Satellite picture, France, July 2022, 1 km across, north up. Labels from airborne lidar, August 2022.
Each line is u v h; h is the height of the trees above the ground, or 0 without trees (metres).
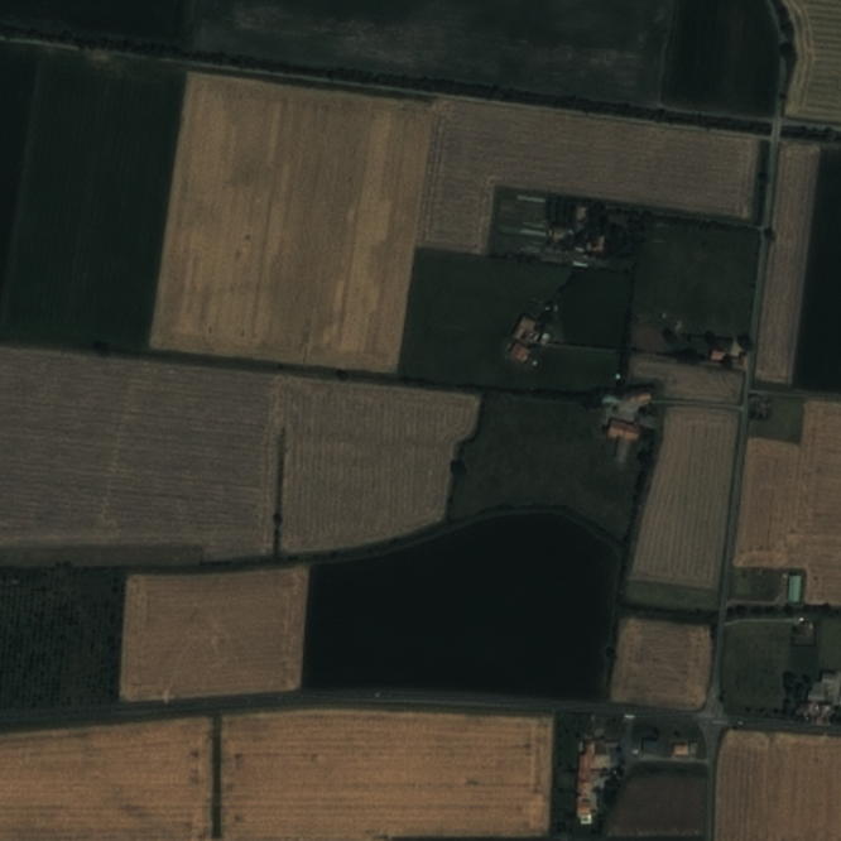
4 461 0
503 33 0
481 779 0
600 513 0
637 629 0
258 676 0
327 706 0
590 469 0
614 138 0
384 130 0
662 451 0
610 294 0
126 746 0
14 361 0
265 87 0
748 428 0
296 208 0
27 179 0
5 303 0
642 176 0
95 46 8
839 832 0
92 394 0
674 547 0
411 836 0
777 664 0
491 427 0
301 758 0
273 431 0
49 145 0
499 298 0
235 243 0
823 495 0
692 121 9
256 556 0
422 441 0
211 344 0
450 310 0
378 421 0
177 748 0
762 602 0
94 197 0
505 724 0
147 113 0
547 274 0
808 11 0
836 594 0
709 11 0
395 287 0
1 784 0
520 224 0
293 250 0
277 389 0
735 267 0
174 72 0
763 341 0
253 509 0
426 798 0
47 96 0
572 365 0
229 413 0
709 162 0
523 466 0
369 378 0
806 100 0
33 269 0
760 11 0
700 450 0
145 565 0
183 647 0
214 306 0
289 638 0
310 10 0
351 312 0
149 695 0
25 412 0
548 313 6
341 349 0
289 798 0
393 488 0
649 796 0
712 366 0
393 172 0
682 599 0
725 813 0
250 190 0
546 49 0
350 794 0
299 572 0
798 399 0
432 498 0
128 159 0
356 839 0
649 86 0
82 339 0
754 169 0
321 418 0
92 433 0
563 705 0
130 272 0
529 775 0
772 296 0
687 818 0
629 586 0
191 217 0
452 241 0
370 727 0
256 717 0
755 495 0
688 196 0
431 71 0
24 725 0
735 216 0
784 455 0
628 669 0
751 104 0
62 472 0
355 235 0
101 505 0
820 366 0
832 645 0
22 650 8
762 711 5
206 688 0
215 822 0
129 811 0
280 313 0
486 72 0
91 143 0
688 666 0
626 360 8
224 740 0
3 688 8
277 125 0
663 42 0
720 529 0
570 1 0
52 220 0
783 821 0
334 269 0
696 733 0
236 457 0
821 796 0
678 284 0
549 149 0
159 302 0
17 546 0
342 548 0
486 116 0
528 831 0
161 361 0
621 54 0
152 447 0
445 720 0
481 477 0
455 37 0
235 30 0
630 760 0
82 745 0
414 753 0
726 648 0
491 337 0
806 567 0
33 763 0
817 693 0
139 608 0
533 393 6
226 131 0
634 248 9
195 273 0
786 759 0
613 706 0
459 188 0
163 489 0
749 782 0
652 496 0
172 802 0
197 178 0
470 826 0
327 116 0
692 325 0
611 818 0
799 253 0
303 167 0
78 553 0
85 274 0
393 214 0
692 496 0
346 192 0
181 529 0
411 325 0
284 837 0
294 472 0
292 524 0
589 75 0
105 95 0
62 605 6
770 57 0
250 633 0
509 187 0
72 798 0
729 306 0
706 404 0
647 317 0
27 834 0
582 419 0
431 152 0
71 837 0
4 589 6
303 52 0
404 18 0
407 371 0
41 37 12
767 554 0
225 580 0
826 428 0
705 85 0
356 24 0
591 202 7
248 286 0
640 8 0
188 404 0
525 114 0
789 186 0
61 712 0
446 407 0
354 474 0
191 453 0
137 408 0
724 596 0
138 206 0
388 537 0
